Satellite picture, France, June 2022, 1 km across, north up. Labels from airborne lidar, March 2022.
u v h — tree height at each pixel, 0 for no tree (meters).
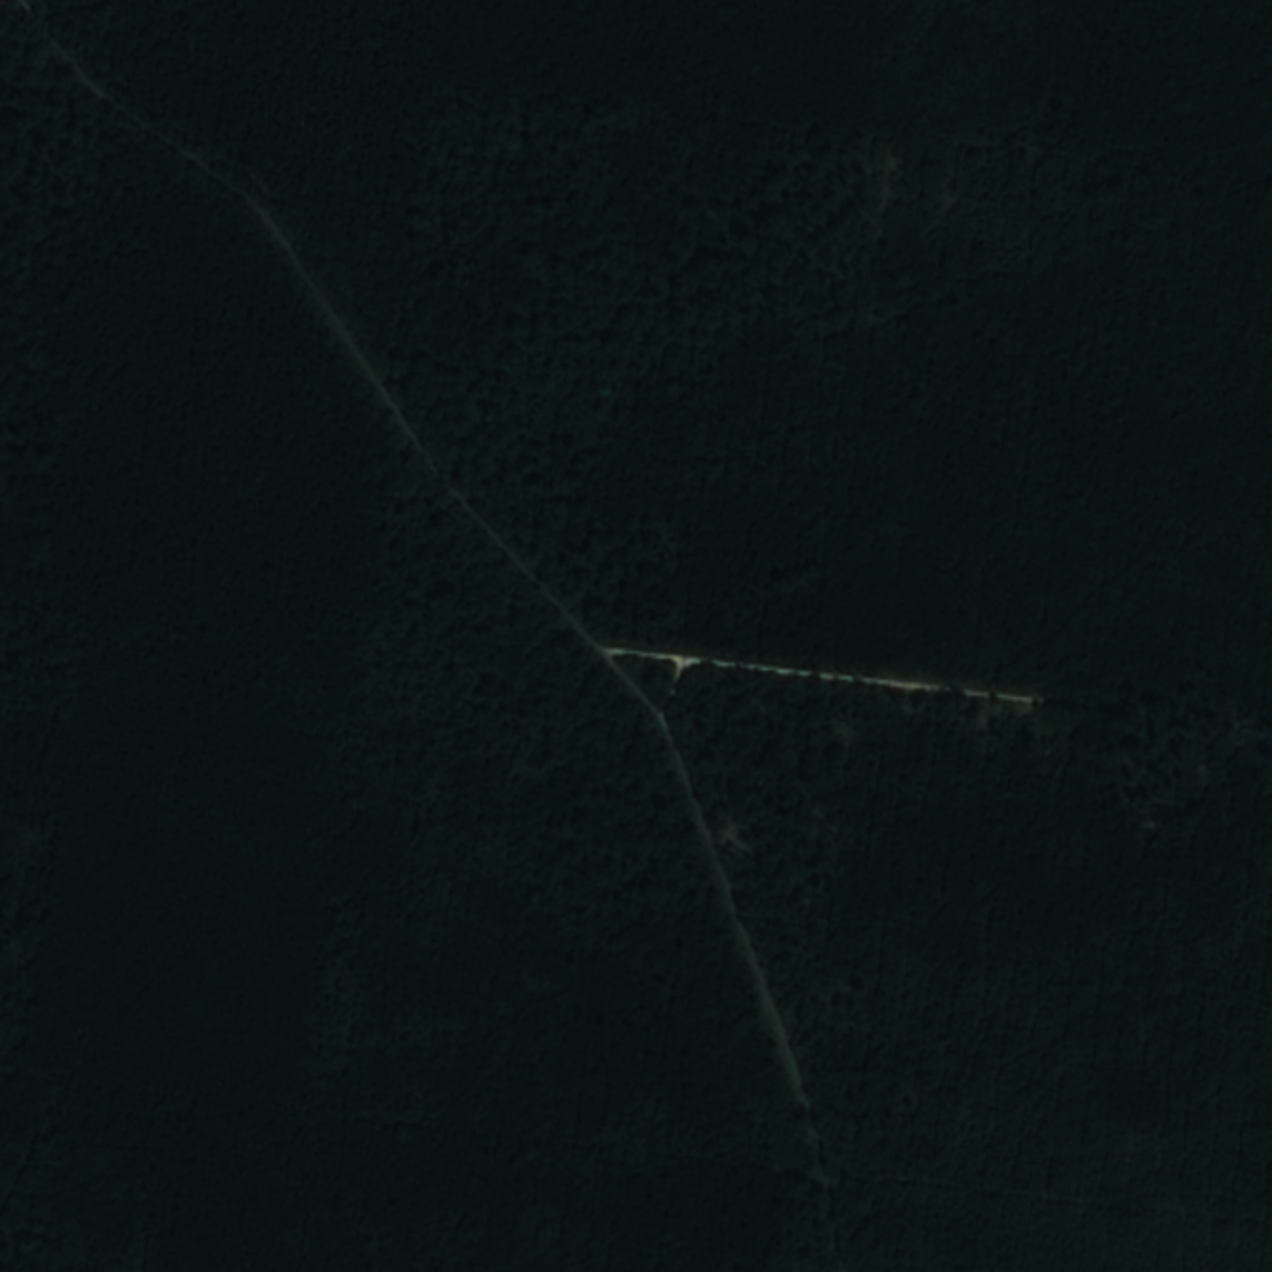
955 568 8
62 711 15
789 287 22
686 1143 6
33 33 16
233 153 16
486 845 6
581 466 17
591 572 16
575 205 23
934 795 6
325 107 0
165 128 14
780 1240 17
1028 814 7
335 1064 6
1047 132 19
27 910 10
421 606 17
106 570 17
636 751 22
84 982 13
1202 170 17
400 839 6
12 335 11
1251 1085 6
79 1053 13
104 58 24
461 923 7
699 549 10
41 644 20
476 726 20
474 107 18
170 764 14
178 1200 7
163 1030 11
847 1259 13
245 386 18
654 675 17
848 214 21
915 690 0
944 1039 7
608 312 17
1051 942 6
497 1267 7
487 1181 16
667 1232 9
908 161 7
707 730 11
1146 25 16
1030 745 22
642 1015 9
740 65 14
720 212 19
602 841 20
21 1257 17
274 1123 10
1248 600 7
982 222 8
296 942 10
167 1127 7
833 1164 16
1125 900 6
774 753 23
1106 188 25
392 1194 7
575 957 17
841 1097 18
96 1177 9
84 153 21
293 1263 8
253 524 18
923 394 19
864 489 10
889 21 12
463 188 22
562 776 7
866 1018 8
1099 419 11
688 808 7
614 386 21
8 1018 17
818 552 7
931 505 8
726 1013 7
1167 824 23
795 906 18
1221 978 6
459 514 15
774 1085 6
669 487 7
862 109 15
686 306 26
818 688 13
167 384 17
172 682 13
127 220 17
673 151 6
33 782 7
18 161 22
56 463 17
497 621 18
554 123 19
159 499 15
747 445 7
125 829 15
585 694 16
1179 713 13
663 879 18
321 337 14
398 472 22
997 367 11
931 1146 8
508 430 24
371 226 16
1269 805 6
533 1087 7
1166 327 8
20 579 11
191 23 22
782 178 24
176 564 16
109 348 14
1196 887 7
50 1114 9
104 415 15
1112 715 27
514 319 21
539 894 13
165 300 17
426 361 18
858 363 9
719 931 16
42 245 20
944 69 14
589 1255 7
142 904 11
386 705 21
